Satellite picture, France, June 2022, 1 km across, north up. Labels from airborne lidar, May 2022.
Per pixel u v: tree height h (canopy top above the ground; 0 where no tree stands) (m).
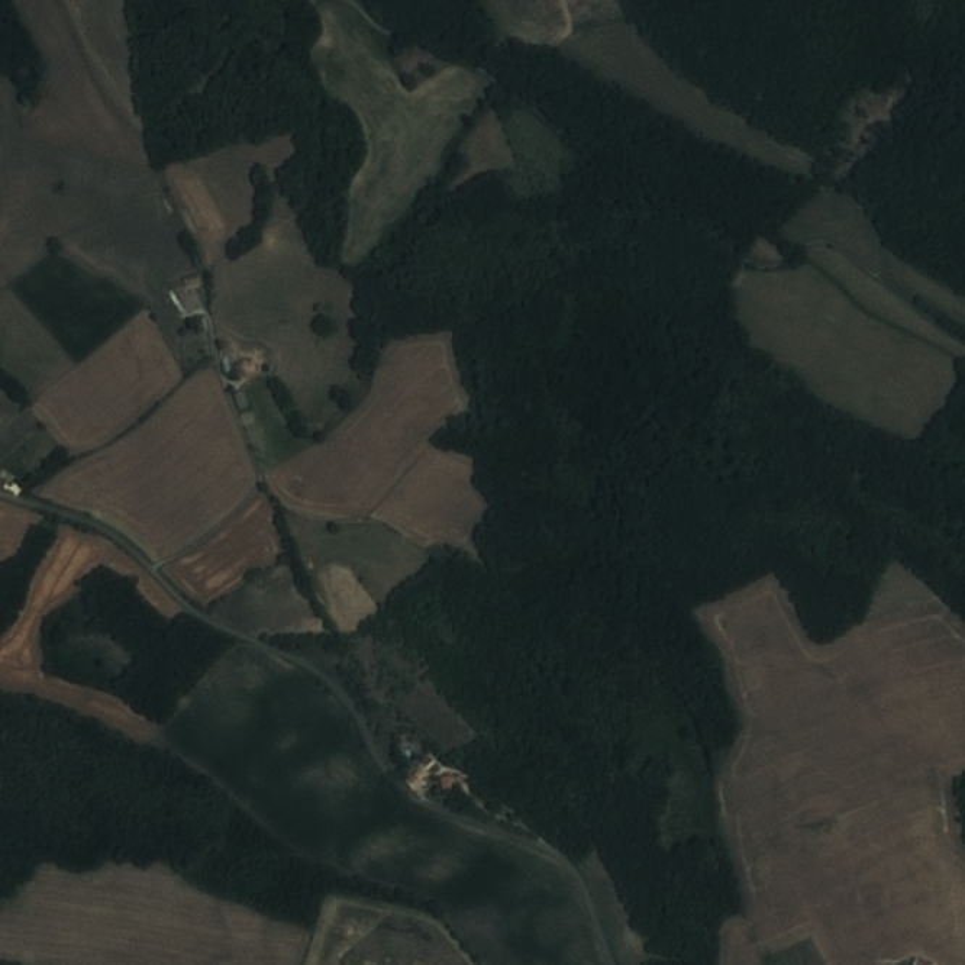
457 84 0
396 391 0
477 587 20
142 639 19
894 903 0
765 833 0
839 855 0
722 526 14
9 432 0
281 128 20
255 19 16
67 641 20
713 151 22
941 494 20
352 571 0
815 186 17
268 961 0
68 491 0
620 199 20
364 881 11
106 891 0
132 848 15
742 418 16
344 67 0
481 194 19
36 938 0
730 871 23
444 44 19
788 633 0
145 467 0
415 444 0
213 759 0
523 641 19
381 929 0
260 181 15
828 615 13
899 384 0
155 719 13
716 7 15
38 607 0
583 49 0
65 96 0
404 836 0
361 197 0
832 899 0
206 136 22
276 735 0
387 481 0
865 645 0
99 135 0
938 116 15
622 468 23
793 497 17
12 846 11
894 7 16
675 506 14
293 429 12
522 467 9
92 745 19
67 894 0
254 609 0
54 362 0
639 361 10
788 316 0
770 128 19
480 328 10
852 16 18
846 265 0
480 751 9
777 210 18
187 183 0
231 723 0
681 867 25
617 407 20
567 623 17
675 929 17
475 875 0
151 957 0
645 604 19
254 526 0
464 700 11
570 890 0
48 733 19
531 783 17
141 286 0
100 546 0
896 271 0
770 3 14
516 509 22
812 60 14
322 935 0
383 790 0
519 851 0
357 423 0
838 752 0
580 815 15
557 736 15
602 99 29
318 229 19
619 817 18
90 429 0
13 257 0
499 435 11
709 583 15
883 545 14
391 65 0
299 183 20
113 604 12
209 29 16
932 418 0
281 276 0
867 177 22
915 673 0
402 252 10
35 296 0
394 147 0
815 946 0
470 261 19
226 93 19
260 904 6
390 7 25
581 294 12
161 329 0
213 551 0
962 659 0
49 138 0
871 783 0
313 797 0
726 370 27
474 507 0
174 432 0
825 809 0
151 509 0
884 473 23
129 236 0
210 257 0
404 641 7
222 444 0
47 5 0
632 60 0
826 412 23
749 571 13
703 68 19
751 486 18
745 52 21
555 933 0
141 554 0
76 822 19
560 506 23
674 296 24
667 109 0
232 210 0
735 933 0
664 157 31
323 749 0
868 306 0
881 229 17
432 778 8
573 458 17
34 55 22
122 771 17
